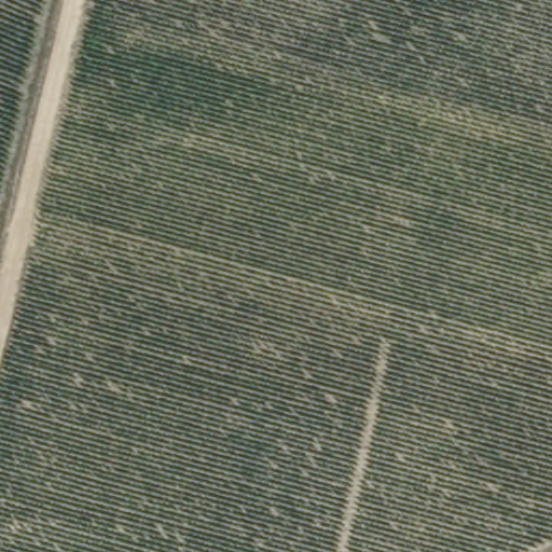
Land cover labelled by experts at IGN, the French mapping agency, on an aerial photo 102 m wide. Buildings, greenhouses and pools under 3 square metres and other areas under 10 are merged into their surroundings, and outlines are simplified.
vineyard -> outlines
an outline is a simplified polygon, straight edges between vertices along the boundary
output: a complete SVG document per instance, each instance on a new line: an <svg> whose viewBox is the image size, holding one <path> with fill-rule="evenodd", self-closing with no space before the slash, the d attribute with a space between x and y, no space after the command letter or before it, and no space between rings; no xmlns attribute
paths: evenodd
<svg viewBox="0 0 552 552"><path fill-rule="evenodd" d="M47 73L47 63L56 39L63 0L0 0L0 263L6 244L6 224L15 207L24 162L37 119L37 108Z"/></svg>
<svg viewBox="0 0 552 552"><path fill-rule="evenodd" d="M84 0L86 22L82 26L82 39L78 39L73 45L75 60L73 73L69 75L71 86L67 93L67 101L60 104L58 125L54 129L52 149L43 168L41 192L37 198L37 233L35 242L26 250L11 330L0 362L0 552L552 552L552 0Z"/></svg>

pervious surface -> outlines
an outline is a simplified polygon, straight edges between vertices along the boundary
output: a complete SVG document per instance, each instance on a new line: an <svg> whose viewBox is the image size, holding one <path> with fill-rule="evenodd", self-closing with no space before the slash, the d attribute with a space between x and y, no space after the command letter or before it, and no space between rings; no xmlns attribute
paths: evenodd
<svg viewBox="0 0 552 552"><path fill-rule="evenodd" d="M82 39L82 26L86 22L84 0L63 0L56 39L47 63L47 73L37 108L37 119L24 162L15 207L6 224L6 244L0 263L0 362L11 330L26 250L35 242L37 233L37 198L41 192L43 168L52 149L54 129L58 125L60 104L67 101L67 93L71 86L69 75L73 73L75 60L73 45L78 39Z"/></svg>

